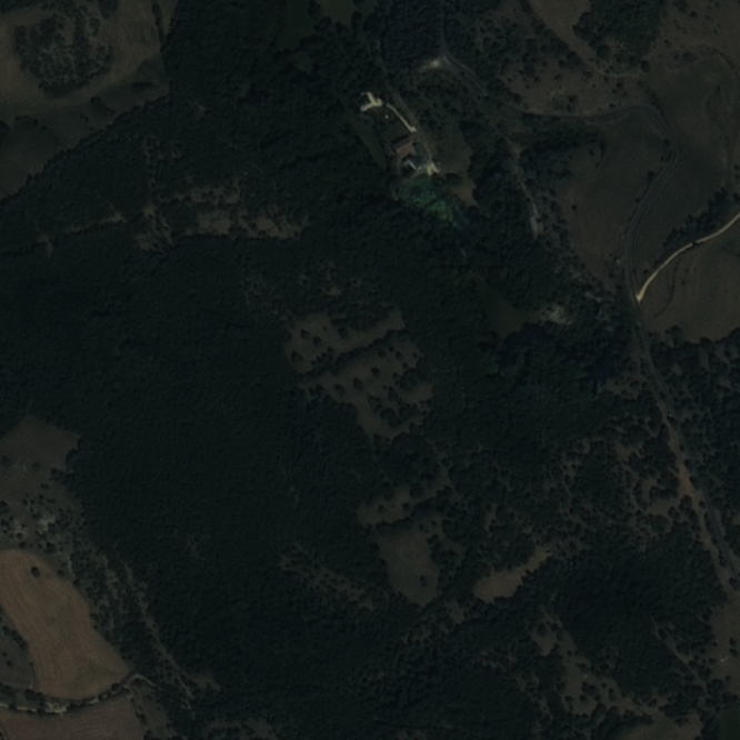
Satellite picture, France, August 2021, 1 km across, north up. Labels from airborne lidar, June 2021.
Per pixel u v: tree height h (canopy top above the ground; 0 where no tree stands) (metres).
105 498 10
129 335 13
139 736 0
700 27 0
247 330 13
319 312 8
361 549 15
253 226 8
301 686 14
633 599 15
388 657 10
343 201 26
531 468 13
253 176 6
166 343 15
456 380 9
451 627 11
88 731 0
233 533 12
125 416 10
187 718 8
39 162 0
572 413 12
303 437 11
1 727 0
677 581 8
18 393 12
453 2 13
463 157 0
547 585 13
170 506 12
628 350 10
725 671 0
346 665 11
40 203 12
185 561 8
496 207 10
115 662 0
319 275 8
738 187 0
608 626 13
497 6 10
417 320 13
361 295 5
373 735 14
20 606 0
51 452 0
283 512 10
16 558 0
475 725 14
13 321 18
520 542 9
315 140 28
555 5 0
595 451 13
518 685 9
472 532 12
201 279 16
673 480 10
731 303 0
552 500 8
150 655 9
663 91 0
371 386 0
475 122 6
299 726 8
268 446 11
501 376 28
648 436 12
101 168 12
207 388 14
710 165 0
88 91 0
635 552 9
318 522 14
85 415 11
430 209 0
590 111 0
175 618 8
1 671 0
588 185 0
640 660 10
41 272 15
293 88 31
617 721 7
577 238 0
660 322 0
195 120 9
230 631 8
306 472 10
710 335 0
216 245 12
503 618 12
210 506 11
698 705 8
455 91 8
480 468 14
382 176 17
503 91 14
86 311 18
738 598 0
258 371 14
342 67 8
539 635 6
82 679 0
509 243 9
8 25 0
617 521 11
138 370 21
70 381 14
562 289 13
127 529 13
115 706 0
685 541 11
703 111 0
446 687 11
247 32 16
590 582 17
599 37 9
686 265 0
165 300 13
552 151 20
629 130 0
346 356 8
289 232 0
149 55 0
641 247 0
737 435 11
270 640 16
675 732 0
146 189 11
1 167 0
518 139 8
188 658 8
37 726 0
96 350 20
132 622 7
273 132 22
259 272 7
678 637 9
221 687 6
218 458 13
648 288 0
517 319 0
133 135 8
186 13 15
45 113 0
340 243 18
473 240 29
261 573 13
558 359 37
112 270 14
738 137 0
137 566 6
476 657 11
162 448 12
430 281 18
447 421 17
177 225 8
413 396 0
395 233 30
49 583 0
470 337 30
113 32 0
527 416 15
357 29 16
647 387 7
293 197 7
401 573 0
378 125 6
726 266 0
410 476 14
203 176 10
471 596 9
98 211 11
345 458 9
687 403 13
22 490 0
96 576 7
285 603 14
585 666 7
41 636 0
